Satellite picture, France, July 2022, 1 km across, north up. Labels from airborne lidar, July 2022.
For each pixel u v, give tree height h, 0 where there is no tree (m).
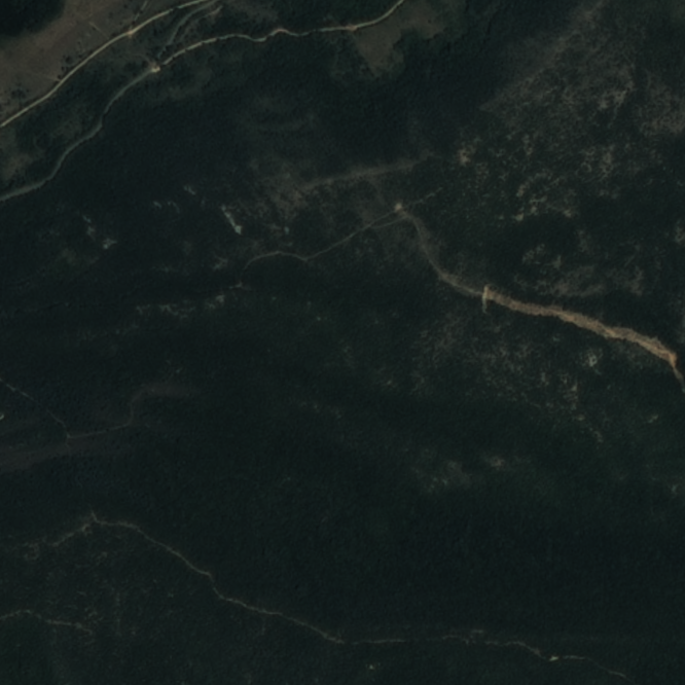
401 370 8
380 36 0
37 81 0
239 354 8
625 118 6
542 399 6
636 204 6
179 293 8
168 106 8
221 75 7
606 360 6
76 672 7
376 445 6
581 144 5
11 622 9
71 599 6
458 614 6
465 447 8
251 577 8
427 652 8
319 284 8
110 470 9
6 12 18
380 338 8
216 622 8
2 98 0
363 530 8
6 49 0
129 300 8
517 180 6
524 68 0
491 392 5
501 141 9
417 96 7
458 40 6
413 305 7
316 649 6
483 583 11
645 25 5
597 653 7
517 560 10
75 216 7
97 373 6
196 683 7
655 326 8
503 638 6
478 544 12
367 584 9
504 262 8
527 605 8
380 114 9
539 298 6
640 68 5
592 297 6
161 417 7
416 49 10
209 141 7
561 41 0
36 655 8
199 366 6
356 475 9
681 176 5
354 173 0
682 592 10
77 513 6
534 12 6
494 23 7
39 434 6
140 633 7
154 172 5
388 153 6
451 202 6
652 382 9
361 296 10
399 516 11
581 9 0
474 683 8
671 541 7
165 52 10
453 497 11
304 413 7
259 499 7
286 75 6
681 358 9
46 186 8
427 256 0
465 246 6
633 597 10
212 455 8
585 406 6
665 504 11
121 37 0
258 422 9
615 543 7
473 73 7
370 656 6
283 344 7
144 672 7
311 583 6
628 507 11
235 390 8
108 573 6
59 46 0
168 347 9
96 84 9
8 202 6
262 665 7
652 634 9
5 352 7
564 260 6
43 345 7
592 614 7
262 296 6
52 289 8
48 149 6
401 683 9
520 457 6
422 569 9
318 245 6
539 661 7
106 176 6
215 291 6
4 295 7
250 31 7
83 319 9
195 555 6
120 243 6
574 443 7
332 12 8
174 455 9
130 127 7
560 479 7
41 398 9
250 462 7
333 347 7
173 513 10
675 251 6
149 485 7
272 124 6
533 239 6
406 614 7
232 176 7
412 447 6
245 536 10
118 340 6
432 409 7
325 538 5
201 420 8
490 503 8
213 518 9
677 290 6
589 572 8
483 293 0
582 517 8
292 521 7
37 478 7
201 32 7
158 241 5
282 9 7
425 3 0
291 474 7
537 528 6
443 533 10
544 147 6
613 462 6
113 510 6
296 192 0
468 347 6
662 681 10
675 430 7
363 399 9
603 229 6
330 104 7
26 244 6
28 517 6
